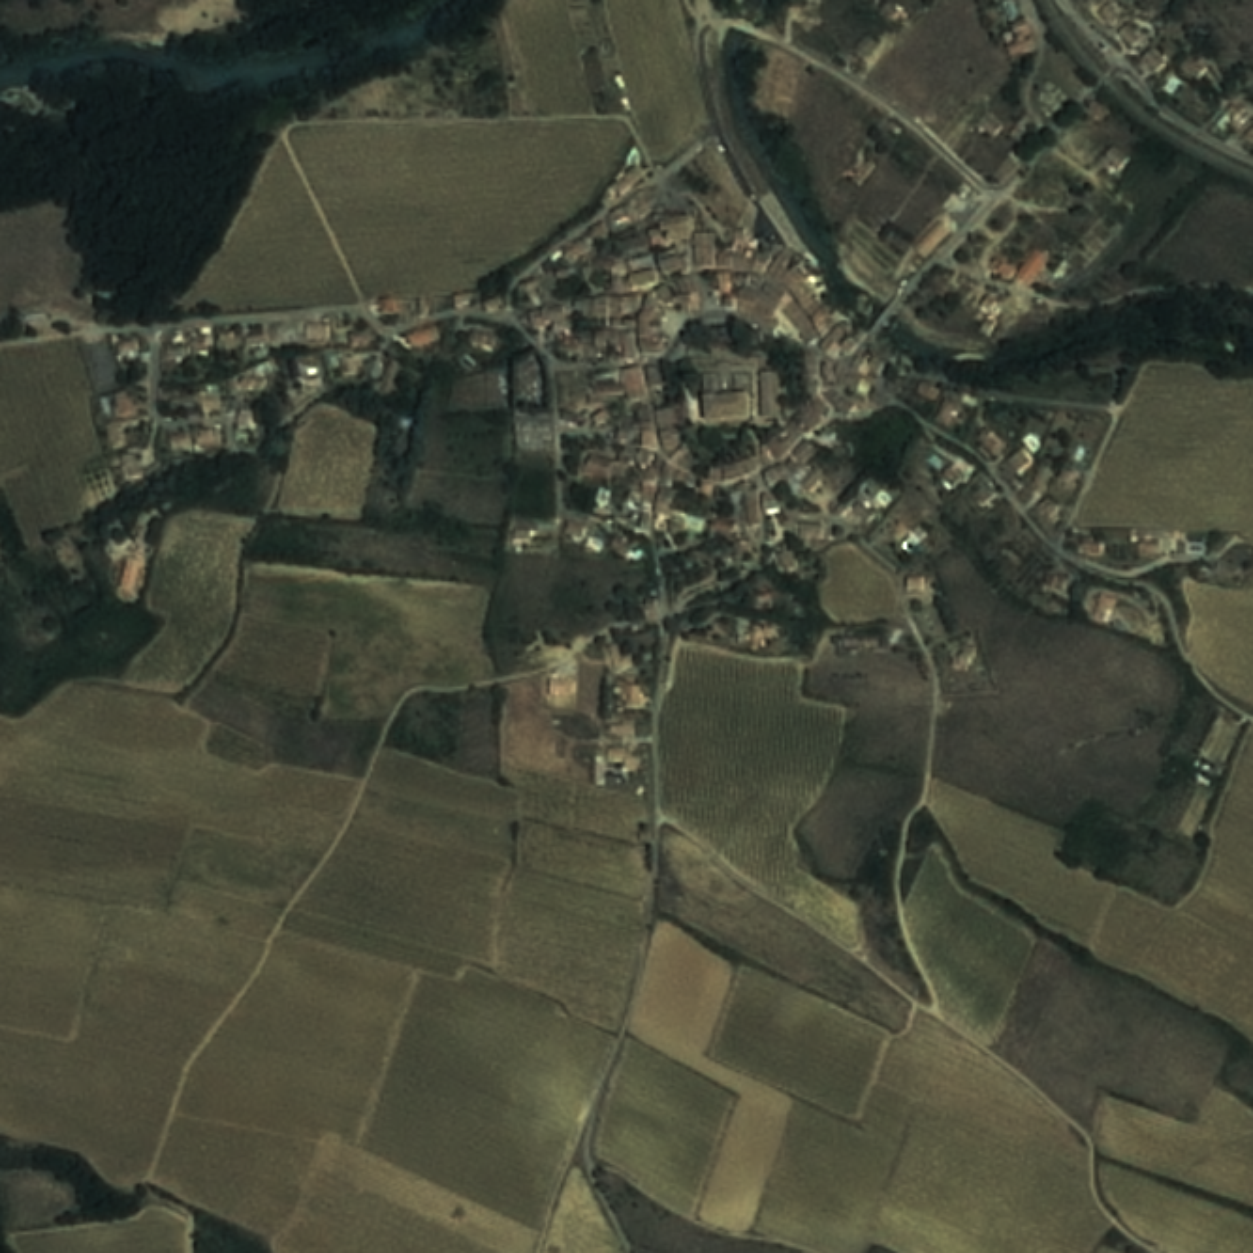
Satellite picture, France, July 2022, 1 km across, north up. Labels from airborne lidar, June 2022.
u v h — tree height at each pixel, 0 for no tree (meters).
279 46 28
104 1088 0
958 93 0
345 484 0
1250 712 0
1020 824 0
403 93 0
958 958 0
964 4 0
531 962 0
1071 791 0
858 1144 0
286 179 0
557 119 0
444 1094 0
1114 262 0
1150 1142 0
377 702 0
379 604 0
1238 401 0
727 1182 0
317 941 0
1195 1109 0
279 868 0
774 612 9
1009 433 0
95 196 26
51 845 0
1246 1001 0
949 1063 0
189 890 0
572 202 0
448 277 0
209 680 0
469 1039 0
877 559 0
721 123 0
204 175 18
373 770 0
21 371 0
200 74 0
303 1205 0
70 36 17
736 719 0
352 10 21
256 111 22
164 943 0
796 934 0
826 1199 0
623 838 0
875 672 0
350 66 24
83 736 0
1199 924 0
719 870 0
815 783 0
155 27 0
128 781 0
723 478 0
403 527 6
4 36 13
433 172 0
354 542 0
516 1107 0
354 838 0
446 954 0
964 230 0
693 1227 0
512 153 0
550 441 0
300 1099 0
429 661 0
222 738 0
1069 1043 0
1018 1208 0
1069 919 0
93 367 0
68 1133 0
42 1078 0
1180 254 0
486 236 0
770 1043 0
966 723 0
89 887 0
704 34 0
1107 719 0
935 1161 0
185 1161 0
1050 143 18
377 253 0
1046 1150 0
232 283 0
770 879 0
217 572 0
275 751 0
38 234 0
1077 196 8
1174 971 0
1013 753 0
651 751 0
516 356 11
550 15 0
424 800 0
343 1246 0
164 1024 0
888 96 0
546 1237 0
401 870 0
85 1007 0
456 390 0
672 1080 0
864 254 0
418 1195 0
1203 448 0
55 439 0
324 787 0
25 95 0
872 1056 0
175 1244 0
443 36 24
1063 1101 0
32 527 0
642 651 7
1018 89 7
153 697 0
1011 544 6
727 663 0
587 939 0
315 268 0
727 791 0
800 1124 0
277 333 0
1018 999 0
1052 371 15
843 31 0
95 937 0
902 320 0
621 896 0
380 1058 0
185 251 12
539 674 0
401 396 10
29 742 0
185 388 7
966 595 0
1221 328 21
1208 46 6
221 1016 0
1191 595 0
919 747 0
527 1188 0
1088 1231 0
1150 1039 0
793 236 0
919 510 0
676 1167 0
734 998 0
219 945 0
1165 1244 0
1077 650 0
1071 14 0
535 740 0
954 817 0
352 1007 0
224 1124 0
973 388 9
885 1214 0
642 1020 0
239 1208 0
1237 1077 0
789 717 0
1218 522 0
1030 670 0
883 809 0
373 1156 0
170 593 0
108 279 21
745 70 18
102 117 35
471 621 0
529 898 0
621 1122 0
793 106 0
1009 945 0
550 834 0
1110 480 0
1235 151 0
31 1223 0
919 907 0
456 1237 0
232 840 0
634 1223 0
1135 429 0
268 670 0
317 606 0
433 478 0
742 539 0
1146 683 0
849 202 0
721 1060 0
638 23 0
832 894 0
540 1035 0
